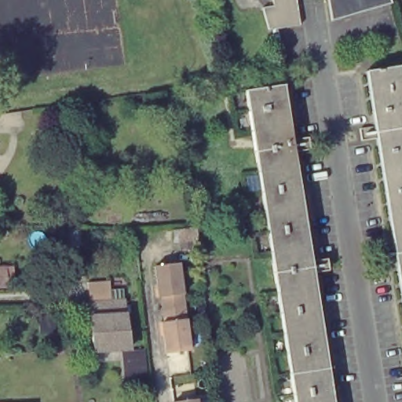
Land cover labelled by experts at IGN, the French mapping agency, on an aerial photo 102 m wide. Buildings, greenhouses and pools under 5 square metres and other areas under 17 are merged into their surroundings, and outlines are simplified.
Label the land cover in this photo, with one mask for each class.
<instances>
[{"label":"deciduous trees","instance_id":"1","mask_svg":"<svg viewBox=\"0 0 402 402\"><path fill-rule=\"evenodd\" d=\"M190 8L193 16H196L193 19V28L206 61V68H199L196 71L184 69L181 82L176 83L173 88L171 85L152 86L149 90L105 94L102 99V108L107 113L111 100L122 99L119 110L124 118L135 121L146 113L149 122H166L171 127V146L177 151L176 159L160 157L148 146L135 144H130L121 151H113V146L107 144V130L96 126L93 105L82 97H71V94L66 93L46 104L44 110L35 111L41 118L35 140L31 143L28 163L33 168V173H41L39 177L44 179L47 185L58 187L60 190L55 195H41L38 190L35 195L27 196V201L16 198L9 206L6 204V193L0 195V237L5 236L6 232L16 239L19 236L30 237L31 232L44 234L35 245L31 253L27 254L25 269L20 276L14 278L13 275L9 278L8 284H0V308L19 306L22 309L19 316L8 323V328L0 331V358H14L20 350L35 353L39 360L52 361L63 350L69 356V374L74 377V382L91 388L102 382V377L107 371V363L105 353L97 352L94 347L91 333L93 316L99 308L94 305L93 298L82 286L83 276L91 283L97 281V267H108L121 259L122 264L132 265L140 254H143V253L138 251L137 237L133 236L132 231H124L121 223H96L90 220L96 214V210L105 207L111 199L119 203L126 199L137 203L140 199L152 198L155 193H170L179 187H184L182 198L185 214L182 218L190 223V228L198 229L199 234L204 231L215 245L220 242L223 247L231 248L242 237L250 239L256 229L267 228L261 195L258 192H251L247 185L232 188L228 195H223L221 204H215L207 196L203 184L195 181L190 173V166L193 163L196 166L201 160H206L207 151L203 155L196 154V135H185L184 127L188 116H192L193 113L201 115L204 102L217 104L228 97L229 102L239 96L240 104L247 105L245 91L251 88L286 83L289 93L306 85V79L314 75L312 66H316L317 63L309 57V49H305L297 53L294 63H284L280 42L276 39L265 42L254 57L248 58V55H245L237 66L231 63L232 52L225 41V22L234 20V6L231 0H190ZM41 319L55 322L57 330L46 336L39 327ZM396 42V35L386 39L377 33H371L360 39L349 36L341 42H336L331 52V60L339 71H349L361 63L369 60L371 63H377L386 55H391V47ZM20 75V72H16L13 50L3 47L0 50V108L3 110L8 105L11 94L20 96L24 93L25 86L19 85ZM207 143L215 140L226 130L218 121V116H212L204 119ZM306 137L312 138V146L308 151L314 163L316 160H325L333 146L328 144L325 130H309ZM364 280L380 281L383 284L388 278L389 270L396 267V251L386 256L380 240L367 239L360 247ZM204 259L196 248L188 254V261L182 264L187 303L192 306L204 305L206 283L201 272H204ZM228 306L232 311L242 308L243 314L236 320H223L220 317L218 338L214 341H210V323L206 316H196L195 322L190 325V330L193 328L198 339H203L201 347L206 356V364L196 367L193 374L195 383V388L206 389L209 402H218L220 378L217 375V352L226 350L232 355L237 352L236 345L240 341H247L254 338L256 333H262V320H254L253 314L247 309L250 308L248 300L242 295L234 303L226 301L217 306L218 312ZM113 402H160L159 396L155 394L146 386L122 382L121 386L115 389Z\"/></svg>","mask_w":402,"mask_h":402},{"label":"impervious surface","instance_id":"2","mask_svg":"<svg viewBox=\"0 0 402 402\"><path fill-rule=\"evenodd\" d=\"M3 47L13 50L16 72H20V75H35L38 79L41 74L110 68L124 63L116 0H0V50ZM301 24L294 30L281 28L275 33L276 39L280 42L284 63H294L297 53L305 49H309V57L317 63L316 66H312L314 75L306 79V85L289 93L295 141L301 143L306 137L309 130H325L328 144L333 146L325 160H316L314 163L308 151L303 146L297 151L305 185L316 264H323L325 258L331 261L330 272L319 273V284L323 314L327 323L334 385L338 396L336 402H402V297L396 267L389 270L388 278L383 284L380 281L364 280L360 247L367 239L380 240L386 256L396 251L391 229L382 228V217H378L383 212L382 201L374 187L383 182L377 141L375 137H366L367 129L361 126L364 122H372L367 71L361 63L349 71H339L331 60V52L336 42H341L349 36L360 39L371 33H377L386 39L396 35V28L391 19V5L374 13L334 22L331 0H298ZM24 126L20 113L0 116V171L5 173L16 152L17 135ZM144 291L148 301L151 341L155 366L152 371L155 394L159 396L160 402H174L177 398L183 397H196L199 402H209L206 389L195 388V383L173 386L171 383L173 374L190 369L188 353H170L163 345L160 320L165 319V316L162 314V300L151 294L159 278V267L154 261H148L143 256Z\"/></svg>","mask_w":402,"mask_h":402},{"label":"herbaceous vegetation","instance_id":"3","mask_svg":"<svg viewBox=\"0 0 402 402\"><path fill-rule=\"evenodd\" d=\"M124 63L110 68L41 74L38 79L35 75H20L19 85L25 86L24 93L20 96L11 94L8 105L17 108L46 104L66 93L71 94V97H82L93 105L96 126L107 130V144L113 146V151H121L130 144H135L148 146L160 157L176 159L177 151L171 146V127L166 122H149L146 113L135 121L124 118L119 110L122 99L111 100L107 113L102 108V99L105 94L149 90L152 86L171 85L173 88L176 83L181 82L184 69L196 71L199 68H206V61L193 28V19L196 16H193L190 8V0H116ZM234 6V20L225 22V41L232 52L231 63L237 66L245 55H248V58L254 57L265 42L276 39L275 33L265 27V6L259 0H231ZM391 55H386L377 63H371L369 60L361 63L367 71L402 64V41L396 36V42L391 47ZM231 107L229 102L228 97L217 104L204 102L201 115L193 113L192 116H188L184 127L185 135H196V154L203 155L207 151L206 160H201L196 166L193 163L190 166V173L195 181L203 184L207 196L215 204H221L223 195H228L232 188L247 185V177L258 173L253 148H232L231 141H229V129H231V116L226 113ZM212 116H218V121L226 130L215 140L207 143L204 119ZM24 126L17 135L16 152L5 173L0 171V195L6 193V204L9 206L16 198L27 201V196L35 195L38 190L41 195H55L60 190L58 187L47 185L44 179L39 177L41 173H33V168L28 163L31 143L35 140L41 118L35 111L20 113ZM184 187H179L170 193H155L152 198L140 199L137 203L126 199L119 203L111 199L105 207L96 210V214L90 220L96 223H121L182 218L185 214L182 198ZM167 231L170 229V225L144 226L143 232L148 236V243H157L162 248L166 254L163 256V262L182 264L188 261V254L196 248L204 259V272H201L206 283L204 305L192 306L187 303L190 325L195 322L196 316H206L210 323V341H214L218 338L220 317L223 320H236L243 314L242 308L232 311L228 306L218 312L217 306L226 301L234 303L242 295L248 300L250 308L247 309L253 314L254 320H262L256 294L261 292V289L275 287L272 258L250 261L248 256L256 251V245L250 239L242 237L231 248L223 247L220 242L215 245L204 231L199 234L198 243L174 244V240L167 241ZM35 245L30 243V237L19 236L16 239L6 232L5 236L0 237V269L14 267L13 275L14 278L20 276L25 269L27 254L31 253ZM97 281H110L111 289H121L124 294L129 306L133 347H144L148 345V341L141 338L137 306V301L143 298L141 291H144L143 256V254H140L132 265L122 264L121 259L108 267H97ZM22 309L19 306L0 308V331L8 328V323L19 316ZM193 350L188 353L190 369L173 374L171 383L173 386L195 383L193 374L196 367L206 364V356L201 347L203 339H198L193 328L190 330ZM237 352L243 355L254 349L265 360L262 333H256L254 338L247 341H240L236 345ZM69 356L63 350L52 361L39 360L35 353L20 350L14 358H0V402H113L115 389L121 386L122 382L146 386L155 394L152 371L124 375L121 378L116 374L118 366L115 363H107V371L102 377V382L91 388L74 382V377L69 374Z\"/></svg>","mask_w":402,"mask_h":402},{"label":"building","instance_id":"4","mask_svg":"<svg viewBox=\"0 0 402 402\"><path fill-rule=\"evenodd\" d=\"M265 6V27L275 33L281 28L294 30L301 24L298 0H259ZM394 0H331L334 22L374 13L391 5ZM372 122H364L361 126L367 129L366 137H375L377 141L383 182L391 229L396 251V267L402 297V64L367 71ZM247 105L251 135V141H253V148L258 173L247 177V185L251 192H258L261 195L267 228L272 258L275 287L276 303L280 308L281 330L286 345L290 389L295 402H336L338 396L334 385L327 323L323 314L319 284V273L330 272L331 261L325 258L323 264H316L305 185L297 151L303 146L308 151L312 146V138L306 137L301 143L295 141L289 93L286 83L251 88L245 91ZM46 104L17 108L8 105L3 110L0 108V116L20 113L35 111L44 110ZM174 240V244L198 243L199 234L198 229L190 228L170 229L167 231V241ZM151 294L162 300V314L165 316V319L160 320L163 345L170 353H188L193 350L190 330V325L187 303L182 264L163 262L159 267V278ZM14 267L0 269V284H8L9 278L13 275ZM82 286L93 298L94 305L99 308L93 316L91 333L94 347L97 352L105 353L107 363H115L118 366L116 374L121 378L124 375L152 371L155 366L151 341H148V345L144 347H133L129 306L124 294L121 289H111L110 281H97L91 283L83 276ZM39 327L46 336L57 330L55 322L41 319ZM174 402H199L196 397H183L177 398Z\"/></svg>","mask_w":402,"mask_h":402},{"label":"brushwood","instance_id":"5","mask_svg":"<svg viewBox=\"0 0 402 402\"><path fill-rule=\"evenodd\" d=\"M391 19L396 28V36L402 41V0H394L391 5ZM231 107L226 113L231 116V129L234 130V133H236L237 138H247L251 135L247 105L240 104L239 96L229 102ZM382 201L383 212L378 217H382V228L391 229L383 182L374 187ZM170 225V229L190 228V223L182 218L121 223L124 231H132L133 236L137 237L138 251L143 253L148 243V236L143 232L144 226ZM250 239L256 245V251L248 256L250 261L272 258L267 228L256 229ZM262 320V333L265 360L272 399L275 402H295L290 389L286 345L281 330L280 308L276 303L275 287L261 289V292L256 294ZM143 298L137 301V306L141 338L148 341H151L148 301L144 291H141Z\"/></svg>","mask_w":402,"mask_h":402},{"label":"agricultural land","instance_id":"6","mask_svg":"<svg viewBox=\"0 0 402 402\"><path fill-rule=\"evenodd\" d=\"M217 375L220 378L218 402H275L272 399L265 360L254 349L243 355L237 352L232 355L226 350L217 352Z\"/></svg>","mask_w":402,"mask_h":402},{"label":"pervious surface","instance_id":"7","mask_svg":"<svg viewBox=\"0 0 402 402\"><path fill-rule=\"evenodd\" d=\"M229 141H231L232 148H253V141H251V135L247 138H237L236 133H234V130L231 129H229ZM143 256L148 261H154L159 267L163 262V256L166 254L162 248L157 243H148L143 253Z\"/></svg>","mask_w":402,"mask_h":402},{"label":"swimming pool","instance_id":"8","mask_svg":"<svg viewBox=\"0 0 402 402\"><path fill-rule=\"evenodd\" d=\"M44 234L31 232L30 237V243L35 245Z\"/></svg>","mask_w":402,"mask_h":402}]
</instances>
